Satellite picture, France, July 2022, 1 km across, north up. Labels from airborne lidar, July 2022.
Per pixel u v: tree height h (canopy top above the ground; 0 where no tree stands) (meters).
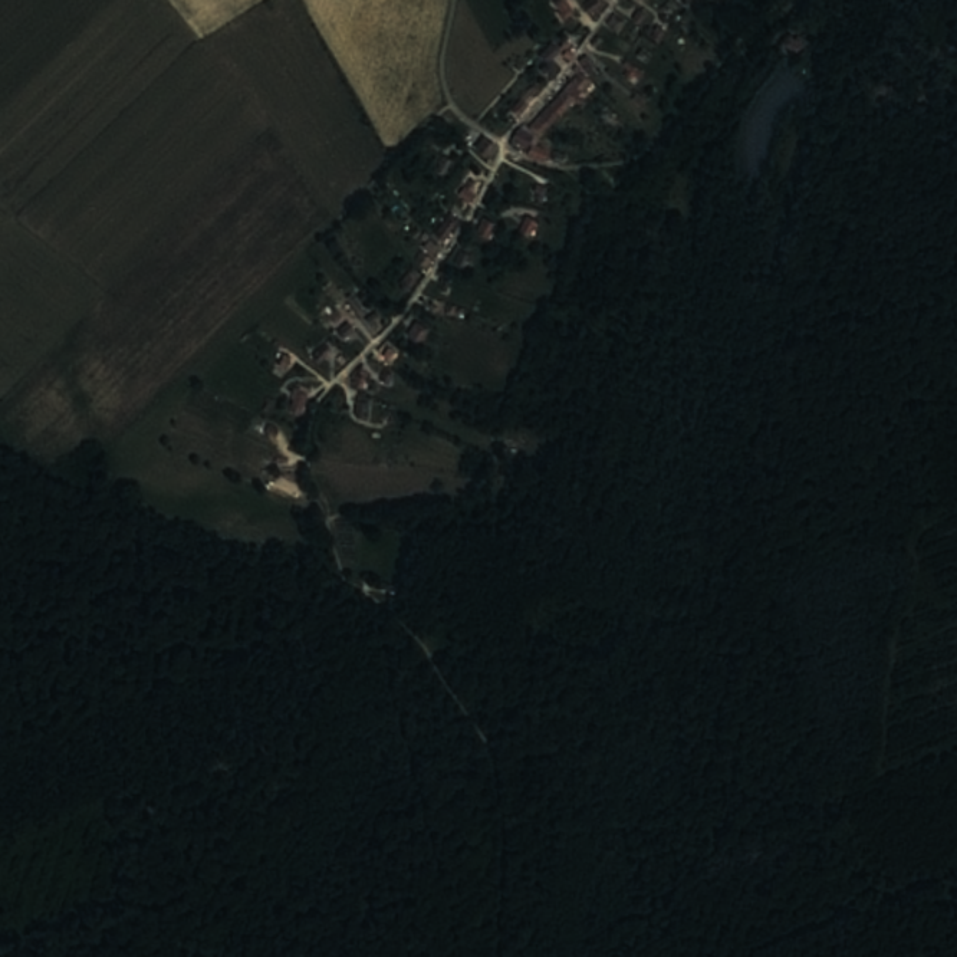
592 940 18
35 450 0
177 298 0
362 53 0
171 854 31
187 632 25
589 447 22
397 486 0
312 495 13
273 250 0
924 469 28
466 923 24
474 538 26
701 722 10
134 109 0
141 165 0
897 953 19
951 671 6
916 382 25
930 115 22
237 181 0
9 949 22
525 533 24
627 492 18
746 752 15
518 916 17
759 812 27
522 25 15
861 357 25
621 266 26
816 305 26
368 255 0
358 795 19
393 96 0
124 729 21
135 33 0
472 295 0
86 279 0
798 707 24
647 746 13
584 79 0
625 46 0
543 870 18
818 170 25
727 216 21
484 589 27
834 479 22
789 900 23
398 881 26
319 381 0
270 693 24
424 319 8
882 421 24
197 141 0
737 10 24
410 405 0
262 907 21
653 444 10
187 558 31
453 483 0
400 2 0
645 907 24
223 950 18
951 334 23
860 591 20
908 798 13
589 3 0
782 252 26
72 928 21
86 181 0
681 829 23
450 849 24
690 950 22
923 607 6
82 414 0
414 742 19
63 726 17
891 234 18
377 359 0
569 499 23
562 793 27
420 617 23
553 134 8
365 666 19
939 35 0
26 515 25
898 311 25
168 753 15
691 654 18
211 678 19
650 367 18
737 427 21
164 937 24
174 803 26
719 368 12
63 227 0
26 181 0
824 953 22
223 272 0
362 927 27
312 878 20
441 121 12
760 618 21
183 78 0
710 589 20
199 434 0
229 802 26
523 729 26
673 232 27
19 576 25
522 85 0
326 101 0
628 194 10
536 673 21
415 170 10
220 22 0
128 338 0
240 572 26
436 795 28
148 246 0
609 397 20
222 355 0
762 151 0
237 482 11
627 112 0
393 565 0
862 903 23
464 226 12
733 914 24
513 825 21
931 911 24
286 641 28
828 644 21
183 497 0
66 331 0
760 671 23
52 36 0
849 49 21
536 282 0
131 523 24
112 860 12
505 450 26
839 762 20
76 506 22
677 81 15
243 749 22
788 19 13
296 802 24
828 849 23
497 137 0
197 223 0
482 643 24
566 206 6
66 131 0
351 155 0
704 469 12
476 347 0
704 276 21
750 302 18
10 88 0
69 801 20
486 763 30
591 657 23
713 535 29
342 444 0
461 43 0
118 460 0
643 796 17
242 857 23
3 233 0
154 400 0
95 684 25
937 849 11
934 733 8
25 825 17
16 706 29
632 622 21
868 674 22
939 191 25
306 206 0
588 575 24
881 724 17
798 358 23
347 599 20
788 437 25
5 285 0
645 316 8
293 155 0
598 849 15
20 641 25
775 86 0
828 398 25
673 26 8
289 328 0
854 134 24
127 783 18
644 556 21
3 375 0
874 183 24
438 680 20
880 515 25
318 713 20
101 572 22
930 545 7
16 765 19
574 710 21
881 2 21
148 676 21
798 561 22
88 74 0
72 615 27
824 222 23
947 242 25
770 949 23
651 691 21
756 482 23
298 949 24
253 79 0
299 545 0
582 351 28
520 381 18
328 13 0
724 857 21
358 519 11
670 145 22
